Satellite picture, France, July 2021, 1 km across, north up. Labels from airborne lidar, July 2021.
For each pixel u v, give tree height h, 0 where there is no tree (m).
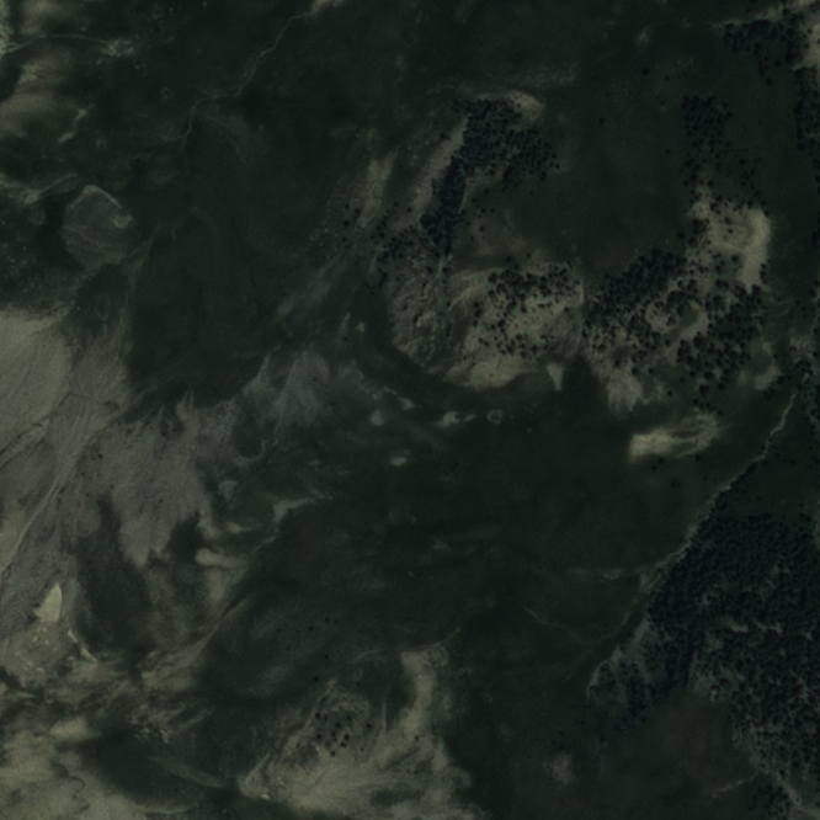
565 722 0
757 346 0
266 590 0
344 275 0
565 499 0
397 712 0
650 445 0
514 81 0
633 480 0
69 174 0
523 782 0
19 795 0
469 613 0
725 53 0
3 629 0
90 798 0
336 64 0
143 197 0
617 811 0
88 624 0
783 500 0
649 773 0
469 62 0
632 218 0
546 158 9
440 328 0
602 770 0
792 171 0
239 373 0
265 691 0
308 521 0
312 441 0
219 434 0
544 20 0
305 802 0
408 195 0
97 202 0
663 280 16
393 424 0
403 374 0
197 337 0
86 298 0
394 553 0
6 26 0
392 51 0
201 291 0
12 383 0
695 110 18
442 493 0
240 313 0
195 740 0
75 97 0
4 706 0
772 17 0
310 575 0
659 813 0
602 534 0
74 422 0
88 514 0
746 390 0
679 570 12
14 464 0
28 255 0
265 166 0
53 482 0
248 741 0
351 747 0
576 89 0
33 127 0
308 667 0
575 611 0
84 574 0
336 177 0
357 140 0
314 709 0
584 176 0
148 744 0
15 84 0
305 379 0
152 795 0
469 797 0
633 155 0
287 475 0
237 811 0
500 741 0
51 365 0
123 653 0
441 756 0
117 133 0
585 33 0
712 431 0
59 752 0
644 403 0
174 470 0
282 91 0
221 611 0
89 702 0
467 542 0
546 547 0
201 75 0
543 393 0
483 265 0
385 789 0
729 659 12
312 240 0
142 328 0
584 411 0
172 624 0
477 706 0
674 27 0
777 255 0
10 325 0
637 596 0
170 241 0
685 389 0
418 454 0
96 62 0
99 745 0
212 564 0
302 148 0
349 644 0
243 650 0
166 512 0
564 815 0
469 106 6
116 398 0
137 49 0
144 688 0
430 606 0
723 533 12
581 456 0
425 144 0
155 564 0
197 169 0
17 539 0
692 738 0
